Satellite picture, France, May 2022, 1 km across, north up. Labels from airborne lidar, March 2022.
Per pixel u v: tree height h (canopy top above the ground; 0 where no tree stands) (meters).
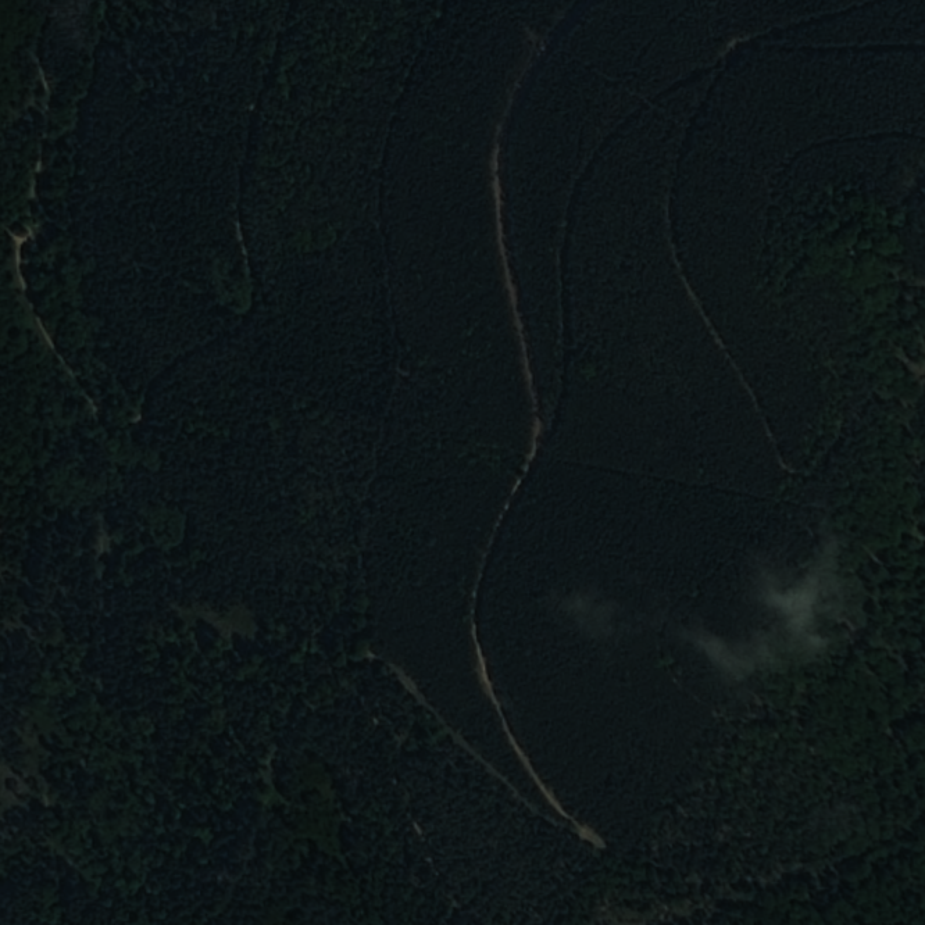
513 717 20
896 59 23
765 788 26
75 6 24
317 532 22
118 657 31
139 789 39
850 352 19
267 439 26
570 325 18
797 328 20
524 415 20
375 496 21
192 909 35
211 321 28
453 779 24
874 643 26
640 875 18
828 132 22
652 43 22
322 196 22
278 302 22
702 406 20
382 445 22
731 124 20
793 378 19
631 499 18
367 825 37
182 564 30
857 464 18
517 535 13
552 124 21
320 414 22
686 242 18
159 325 28
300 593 28
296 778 15
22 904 34
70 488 27
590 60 21
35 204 11
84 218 31
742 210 21
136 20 31
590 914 28
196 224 23
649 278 18
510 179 19
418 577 15
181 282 21
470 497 16
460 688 17
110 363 28
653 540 18
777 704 21
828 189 15
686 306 19
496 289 22
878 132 17
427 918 26
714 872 26
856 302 27
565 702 16
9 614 8
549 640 17
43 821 33
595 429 21
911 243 27
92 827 32
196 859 30
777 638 18
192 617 0
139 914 31
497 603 13
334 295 21
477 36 23
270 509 31
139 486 27
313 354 28
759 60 21
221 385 26
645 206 21
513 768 18
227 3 24
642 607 18
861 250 21
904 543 27
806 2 20
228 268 23
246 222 20
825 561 20
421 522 19
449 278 20
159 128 24
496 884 25
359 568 24
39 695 35
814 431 19
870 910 29
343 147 23
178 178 27
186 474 25
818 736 26
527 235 21
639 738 18
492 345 20
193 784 8
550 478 17
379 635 22
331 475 26
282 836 32
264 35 23
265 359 25
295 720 20
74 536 28
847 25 19
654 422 21
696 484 16
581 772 17
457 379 18
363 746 31
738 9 18
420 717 33
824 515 16
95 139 26
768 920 25
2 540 10
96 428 27
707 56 20
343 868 30
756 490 17
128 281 28
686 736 18
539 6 22
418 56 33
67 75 24
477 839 26
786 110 21
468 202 20
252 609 32
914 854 31
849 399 20
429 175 21
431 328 22
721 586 18
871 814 30
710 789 21
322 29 20
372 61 22
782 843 28
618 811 21
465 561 15
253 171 23
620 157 19
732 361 19
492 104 18
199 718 33
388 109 21
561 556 17
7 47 20
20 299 0
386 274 18
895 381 25
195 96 28
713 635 18
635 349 20
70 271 25
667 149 19
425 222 24
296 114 22
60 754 20
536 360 20
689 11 24
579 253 18
